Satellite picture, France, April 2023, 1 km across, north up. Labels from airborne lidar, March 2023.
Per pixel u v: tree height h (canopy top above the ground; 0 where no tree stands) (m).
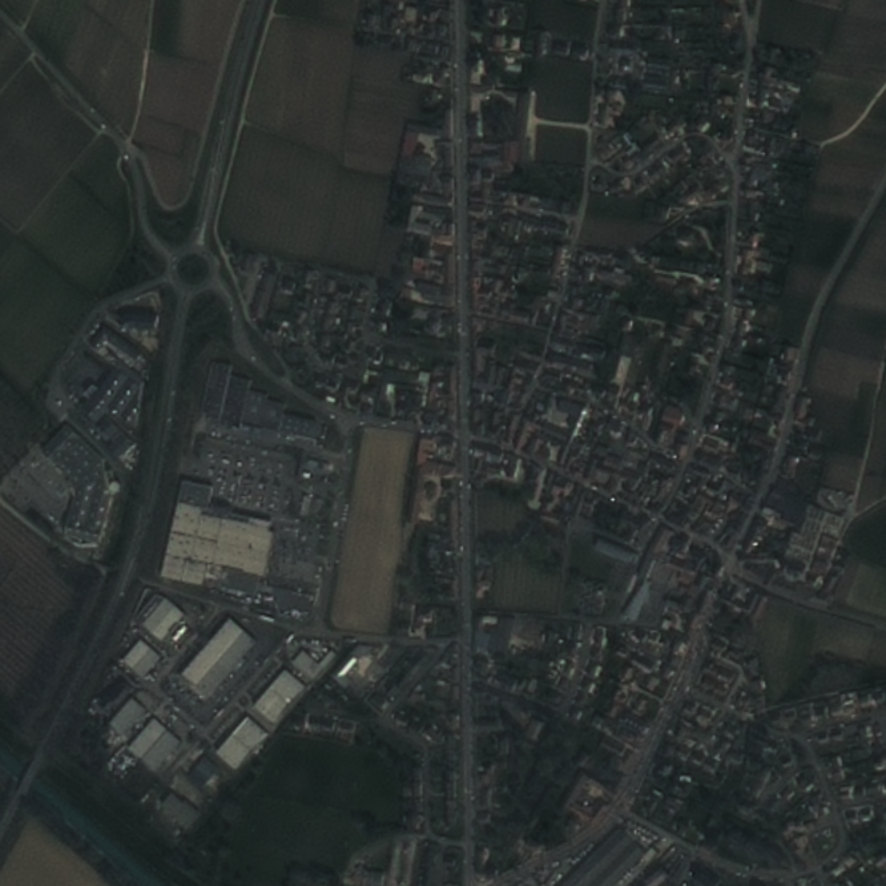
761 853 0
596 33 0
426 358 0
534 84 0
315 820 0
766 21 0
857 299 0
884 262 0
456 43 0
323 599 0
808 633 0
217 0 0
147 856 0
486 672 0
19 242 0
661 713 0
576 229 0
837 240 0
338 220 0
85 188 0
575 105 0
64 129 0
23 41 0
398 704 0
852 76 0
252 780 8
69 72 0
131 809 0
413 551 8
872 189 0
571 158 0
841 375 0
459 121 0
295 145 0
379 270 0
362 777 0
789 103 0
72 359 0
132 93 0
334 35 0
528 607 0
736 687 0
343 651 0
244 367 0
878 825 8
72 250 0
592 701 0
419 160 0
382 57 0
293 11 0
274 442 0
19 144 0
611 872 0
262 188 0
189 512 0
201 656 0
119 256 0
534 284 0
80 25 0
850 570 0
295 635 0
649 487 0
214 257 0
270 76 0
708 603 0
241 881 6
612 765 13
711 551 7
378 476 0
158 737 0
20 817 10
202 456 0
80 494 0
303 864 0
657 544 0
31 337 0
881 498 0
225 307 0
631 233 0
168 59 0
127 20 0
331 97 0
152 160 0
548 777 17
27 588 0
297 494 0
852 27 0
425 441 0
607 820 0
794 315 0
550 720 10
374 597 0
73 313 0
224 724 0
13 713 0
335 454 0
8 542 0
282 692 0
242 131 0
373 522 0
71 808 0
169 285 0
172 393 0
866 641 0
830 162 0
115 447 0
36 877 0
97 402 0
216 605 0
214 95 0
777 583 0
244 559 0
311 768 0
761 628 0
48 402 0
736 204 0
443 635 0
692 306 12
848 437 0
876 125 0
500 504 0
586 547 0
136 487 11
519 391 0
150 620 0
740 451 7
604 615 6
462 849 0
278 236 0
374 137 0
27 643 0
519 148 0
